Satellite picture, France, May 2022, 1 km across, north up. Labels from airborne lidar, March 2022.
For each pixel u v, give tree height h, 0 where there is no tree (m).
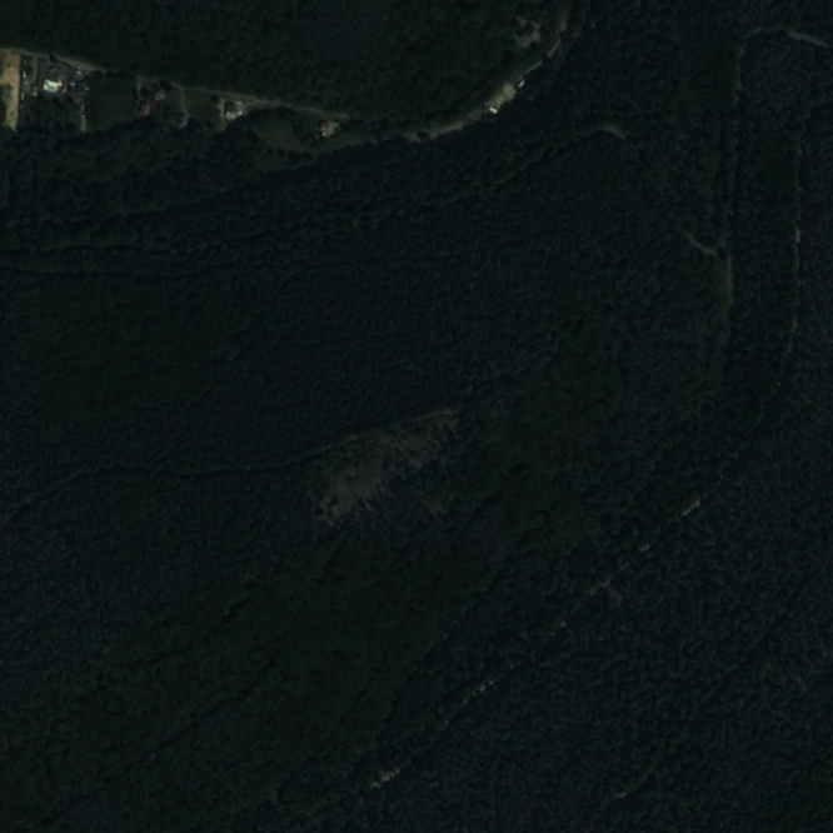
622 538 25
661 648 27
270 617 27
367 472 0
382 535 21
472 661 32
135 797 26
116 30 18
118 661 18
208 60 22
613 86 29
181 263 15
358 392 7
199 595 18
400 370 12
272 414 20
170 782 26
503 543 17
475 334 26
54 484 14
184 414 24
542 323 18
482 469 31
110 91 0
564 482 23
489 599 28
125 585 18
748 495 27
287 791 26
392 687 27
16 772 23
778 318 16
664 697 26
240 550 20
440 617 21
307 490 15
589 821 20
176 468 21
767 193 9
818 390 31
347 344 18
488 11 34
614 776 23
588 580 35
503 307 20
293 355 15
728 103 15
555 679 26
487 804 25
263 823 25
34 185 21
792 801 23
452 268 21
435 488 28
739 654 25
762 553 30
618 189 26
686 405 23
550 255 21
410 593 27
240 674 23
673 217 26
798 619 27
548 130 29
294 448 15
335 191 31
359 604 27
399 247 23
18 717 17
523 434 21
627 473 36
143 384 18
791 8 22
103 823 22
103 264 14
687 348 27
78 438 23
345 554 24
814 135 26
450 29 35
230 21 16
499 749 24
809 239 29
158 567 17
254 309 19
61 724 22
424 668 27
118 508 18
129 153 24
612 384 29
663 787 24
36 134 16
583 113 30
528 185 18
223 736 21
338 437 20
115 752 22
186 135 16
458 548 25
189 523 19
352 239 19
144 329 22
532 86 21
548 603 35
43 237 28
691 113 23
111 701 22
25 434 21
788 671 26
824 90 28
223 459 22
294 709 24
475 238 21
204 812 24
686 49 18
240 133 23
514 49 0
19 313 16
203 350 22
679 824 21
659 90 29
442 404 14
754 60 23
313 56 23
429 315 12
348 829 6
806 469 27
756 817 20
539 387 17
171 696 25
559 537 35
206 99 0
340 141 0
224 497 17
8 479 19
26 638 20
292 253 18
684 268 21
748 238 38
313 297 20
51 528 18
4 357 22
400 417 16
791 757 27
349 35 16
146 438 25
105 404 23
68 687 18
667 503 10
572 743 10
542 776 17
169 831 22
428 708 28
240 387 22
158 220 28
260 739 23
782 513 27
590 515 36
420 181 26
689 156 9
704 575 34
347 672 25
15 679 22
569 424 24
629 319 25
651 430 41
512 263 21
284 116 16
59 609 24
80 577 16
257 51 18
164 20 19
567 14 0
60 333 24
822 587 25
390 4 16
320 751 26
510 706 28
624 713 28
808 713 25
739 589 27
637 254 26
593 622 22
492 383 22
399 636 25
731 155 29
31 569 22
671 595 25
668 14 24
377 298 18
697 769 24
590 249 23
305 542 17
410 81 20
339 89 13
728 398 18
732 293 0
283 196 28
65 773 21
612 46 32
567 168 23
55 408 24
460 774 23
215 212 28
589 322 19
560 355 21
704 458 13
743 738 23
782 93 23
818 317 19
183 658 21
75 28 19
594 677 25
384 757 37
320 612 25
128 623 16
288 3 11
